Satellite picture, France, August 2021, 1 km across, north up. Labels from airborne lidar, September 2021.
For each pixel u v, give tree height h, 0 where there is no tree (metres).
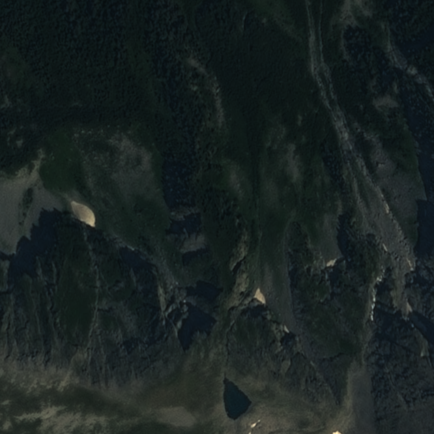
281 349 0
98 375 0
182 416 0
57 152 0
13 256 0
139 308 0
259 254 0
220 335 0
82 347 0
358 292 0
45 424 0
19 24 12
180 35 18
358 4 0
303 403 0
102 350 0
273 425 0
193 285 0
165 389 0
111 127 0
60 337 0
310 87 5
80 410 0
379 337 0
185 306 0
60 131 0
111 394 0
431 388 0
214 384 0
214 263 0
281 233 0
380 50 9
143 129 0
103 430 0
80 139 0
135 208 0
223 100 0
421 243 0
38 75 8
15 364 0
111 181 0
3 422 0
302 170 0
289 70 7
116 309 0
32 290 0
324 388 0
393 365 0
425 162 0
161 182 0
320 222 0
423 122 8
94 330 0
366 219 0
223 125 0
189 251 0
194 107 16
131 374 0
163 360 0
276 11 0
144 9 9
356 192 0
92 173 0
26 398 0
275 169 0
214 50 6
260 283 0
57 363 0
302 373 0
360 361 0
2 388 0
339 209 0
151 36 18
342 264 0
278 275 0
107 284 0
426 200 0
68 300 0
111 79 6
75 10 8
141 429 0
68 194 0
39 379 0
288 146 0
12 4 8
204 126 11
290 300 0
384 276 0
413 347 0
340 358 0
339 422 0
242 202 0
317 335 0
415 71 0
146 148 0
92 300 0
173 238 0
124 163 0
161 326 0
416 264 0
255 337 0
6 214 0
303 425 0
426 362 0
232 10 11
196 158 6
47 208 0
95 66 7
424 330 0
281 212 0
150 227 0
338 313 0
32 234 0
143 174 0
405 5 15
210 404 0
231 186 0
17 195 0
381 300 0
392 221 0
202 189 10
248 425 0
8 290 0
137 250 0
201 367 0
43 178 0
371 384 0
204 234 0
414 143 0
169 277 0
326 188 0
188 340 0
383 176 0
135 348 0
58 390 0
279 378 0
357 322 0
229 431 0
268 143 0
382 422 0
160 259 0
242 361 0
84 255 0
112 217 0
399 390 0
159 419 0
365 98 5
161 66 7
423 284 0
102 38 7
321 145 5
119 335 0
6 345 0
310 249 6
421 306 0
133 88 7
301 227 14
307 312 0
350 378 0
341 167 9
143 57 0
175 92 8
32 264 0
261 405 0
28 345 0
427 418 0
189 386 0
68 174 0
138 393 0
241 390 0
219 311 0
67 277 0
